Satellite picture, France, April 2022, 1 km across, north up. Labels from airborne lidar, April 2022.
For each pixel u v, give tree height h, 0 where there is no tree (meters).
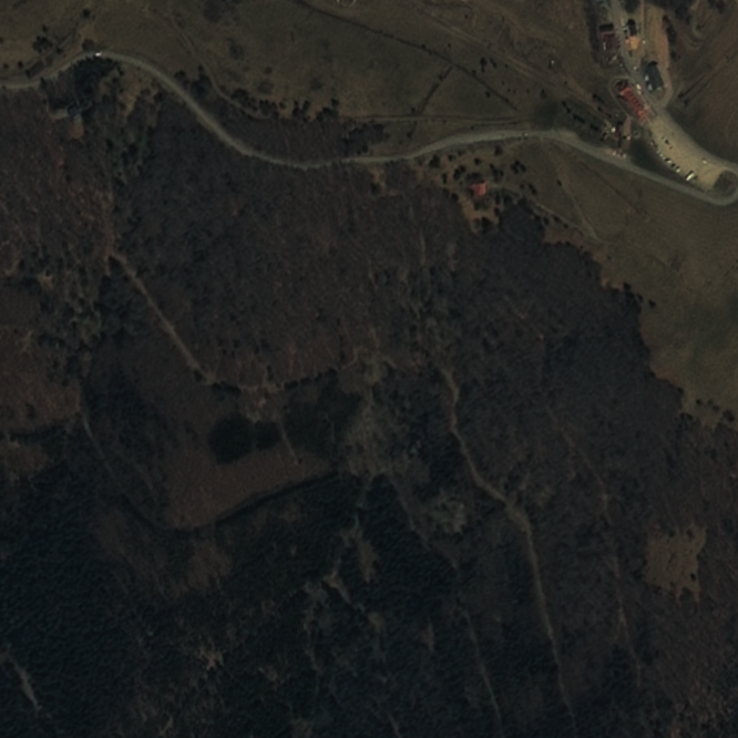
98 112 18
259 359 8
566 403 20
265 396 11
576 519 21
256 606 25
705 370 0
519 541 22
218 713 23
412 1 0
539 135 0
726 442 13
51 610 27
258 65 0
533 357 26
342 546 30
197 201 20
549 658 23
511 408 26
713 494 16
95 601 26
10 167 19
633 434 17
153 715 17
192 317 9
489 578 21
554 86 0
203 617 25
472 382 31
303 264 28
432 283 19
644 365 9
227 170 13
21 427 18
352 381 15
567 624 9
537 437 25
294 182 15
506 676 18
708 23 0
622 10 0
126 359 18
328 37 0
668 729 20
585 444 15
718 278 0
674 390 10
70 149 19
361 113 0
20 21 0
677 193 0
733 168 0
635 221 0
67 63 0
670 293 0
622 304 12
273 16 0
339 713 28
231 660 24
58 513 26
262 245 26
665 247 0
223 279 27
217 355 9
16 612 27
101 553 25
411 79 0
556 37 0
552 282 19
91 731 28
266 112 9
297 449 14
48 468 19
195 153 18
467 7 0
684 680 22
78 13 0
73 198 30
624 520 9
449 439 21
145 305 26
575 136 0
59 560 25
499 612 18
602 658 15
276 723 25
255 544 21
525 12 0
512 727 22
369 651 33
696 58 0
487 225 19
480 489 18
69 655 23
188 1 0
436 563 22
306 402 15
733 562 18
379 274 10
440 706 23
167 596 18
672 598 15
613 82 0
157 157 22
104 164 22
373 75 0
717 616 24
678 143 0
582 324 19
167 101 14
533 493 11
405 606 22
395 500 24
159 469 19
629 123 0
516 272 20
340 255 24
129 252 17
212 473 17
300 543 22
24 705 29
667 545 0
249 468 17
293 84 0
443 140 0
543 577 14
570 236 0
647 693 20
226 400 16
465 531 14
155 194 27
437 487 20
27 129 14
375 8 0
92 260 28
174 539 25
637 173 0
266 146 15
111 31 0
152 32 0
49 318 27
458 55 0
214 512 18
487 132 0
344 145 12
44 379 12
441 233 22
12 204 27
